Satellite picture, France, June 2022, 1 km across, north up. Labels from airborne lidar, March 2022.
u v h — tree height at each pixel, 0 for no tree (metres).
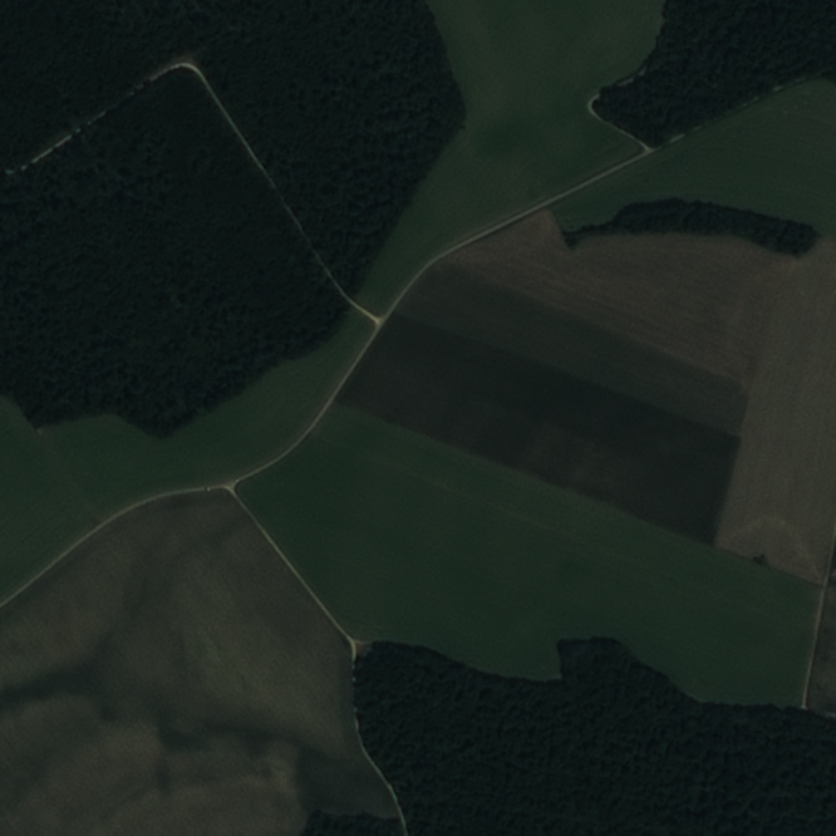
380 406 0
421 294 0
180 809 0
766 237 16
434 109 17
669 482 0
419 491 0
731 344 0
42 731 0
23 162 13
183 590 0
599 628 0
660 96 16
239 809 0
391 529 0
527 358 0
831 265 0
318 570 0
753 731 11
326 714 0
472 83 0
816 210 0
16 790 0
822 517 0
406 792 12
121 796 0
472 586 0
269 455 0
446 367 0
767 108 0
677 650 0
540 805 9
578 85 0
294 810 0
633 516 0
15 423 0
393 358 0
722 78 15
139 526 0
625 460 0
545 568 0
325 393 0
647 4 0
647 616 0
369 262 14
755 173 0
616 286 0
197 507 0
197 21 21
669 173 0
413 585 0
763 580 0
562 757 15
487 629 0
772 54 16
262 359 16
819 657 0
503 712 13
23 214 24
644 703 17
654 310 0
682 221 15
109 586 0
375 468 0
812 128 0
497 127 0
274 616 0
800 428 0
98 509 0
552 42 0
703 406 0
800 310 0
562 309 0
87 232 6
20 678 0
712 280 0
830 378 0
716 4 22
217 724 0
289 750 0
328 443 0
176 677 0
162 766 0
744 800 15
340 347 0
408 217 0
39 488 0
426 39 7
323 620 0
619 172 0
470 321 0
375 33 6
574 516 0
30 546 0
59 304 18
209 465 0
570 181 0
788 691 0
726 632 0
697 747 20
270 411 0
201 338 20
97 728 0
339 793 0
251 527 0
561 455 0
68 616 0
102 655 0
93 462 0
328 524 0
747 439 0
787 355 0
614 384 0
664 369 0
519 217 0
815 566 0
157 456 0
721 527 0
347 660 0
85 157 22
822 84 0
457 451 0
